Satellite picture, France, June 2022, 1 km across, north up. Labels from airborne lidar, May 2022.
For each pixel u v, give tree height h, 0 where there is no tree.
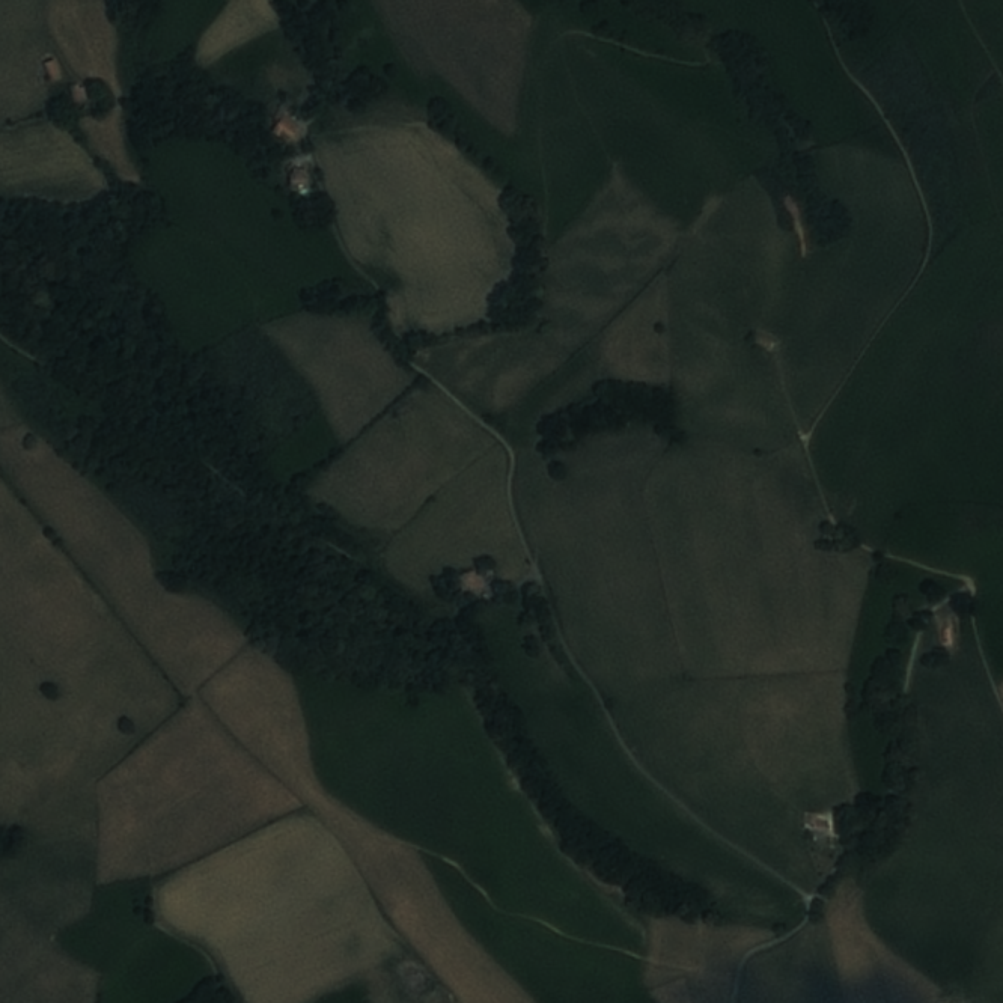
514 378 0
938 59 0
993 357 0
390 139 0
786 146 10
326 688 0
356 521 0
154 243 0
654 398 14
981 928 0
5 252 24
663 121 0
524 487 0
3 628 0
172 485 9
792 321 0
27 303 18
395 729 0
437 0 0
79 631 0
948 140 0
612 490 0
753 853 0
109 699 0
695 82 0
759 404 0
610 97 0
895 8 0
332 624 18
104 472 11
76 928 0
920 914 0
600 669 0
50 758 0
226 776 0
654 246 0
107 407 13
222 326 0
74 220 22
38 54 0
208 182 0
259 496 24
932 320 0
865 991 0
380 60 0
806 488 0
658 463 0
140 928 0
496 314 15
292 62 0
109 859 0
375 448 0
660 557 0
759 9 0
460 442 0
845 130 0
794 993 0
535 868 0
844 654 0
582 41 0
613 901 0
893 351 0
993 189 0
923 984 0
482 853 0
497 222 0
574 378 0
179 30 0
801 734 0
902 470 0
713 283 0
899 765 12
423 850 0
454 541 0
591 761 0
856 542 14
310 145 10
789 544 0
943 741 0
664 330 8
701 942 0
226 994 11
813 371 0
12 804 0
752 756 0
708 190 0
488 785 0
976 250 0
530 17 0
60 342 19
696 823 0
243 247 0
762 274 0
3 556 0
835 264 0
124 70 0
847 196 0
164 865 0
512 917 0
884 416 0
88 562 0
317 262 0
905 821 22
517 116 0
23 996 0
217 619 0
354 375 0
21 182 0
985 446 0
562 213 0
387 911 0
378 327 10
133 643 0
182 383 11
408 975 0
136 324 26
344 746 0
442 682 21
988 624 0
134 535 0
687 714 0
